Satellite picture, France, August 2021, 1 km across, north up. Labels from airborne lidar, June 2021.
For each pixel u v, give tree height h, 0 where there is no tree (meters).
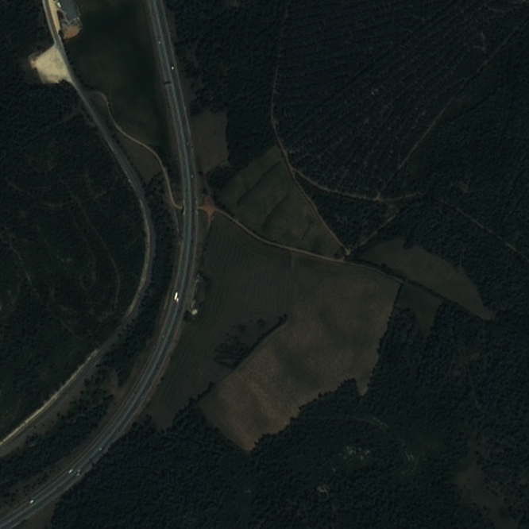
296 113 12
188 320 8
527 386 10
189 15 13
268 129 7
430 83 11
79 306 6
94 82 0
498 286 8
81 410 12
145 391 0
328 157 13
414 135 9
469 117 12
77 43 0
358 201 8
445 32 9
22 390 10
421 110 10
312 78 13
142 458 18
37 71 0
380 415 7
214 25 12
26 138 11
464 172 11
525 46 12
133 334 10
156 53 0
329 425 5
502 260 8
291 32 13
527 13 8
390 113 9
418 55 12
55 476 0
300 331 0
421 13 9
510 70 11
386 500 13
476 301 0
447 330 19
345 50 13
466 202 9
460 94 10
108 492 16
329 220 9
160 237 11
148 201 8
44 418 0
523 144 9
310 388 0
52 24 0
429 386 15
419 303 0
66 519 15
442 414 7
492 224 11
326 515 7
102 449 0
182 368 0
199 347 0
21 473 10
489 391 16
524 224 9
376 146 10
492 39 6
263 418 0
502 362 11
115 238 6
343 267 0
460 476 0
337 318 0
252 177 0
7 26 9
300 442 6
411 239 12
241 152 9
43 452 13
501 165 11
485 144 12
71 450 12
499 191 7
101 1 0
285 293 0
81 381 0
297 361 0
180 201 0
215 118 0
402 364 7
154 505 7
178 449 8
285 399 0
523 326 8
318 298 0
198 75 7
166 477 16
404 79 9
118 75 0
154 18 0
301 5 14
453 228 10
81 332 6
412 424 6
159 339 0
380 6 12
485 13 10
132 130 0
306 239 0
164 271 11
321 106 10
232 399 0
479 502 0
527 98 11
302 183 7
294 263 0
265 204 0
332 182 10
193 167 0
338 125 14
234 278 0
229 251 0
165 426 0
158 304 10
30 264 0
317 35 14
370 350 0
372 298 0
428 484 8
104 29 0
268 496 9
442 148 9
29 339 10
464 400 11
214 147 0
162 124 0
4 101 6
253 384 0
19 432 0
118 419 0
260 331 0
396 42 10
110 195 7
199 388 0
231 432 0
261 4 10
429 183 12
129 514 14
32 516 0
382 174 11
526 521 9
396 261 0
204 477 11
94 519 14
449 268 0
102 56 0
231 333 0
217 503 11
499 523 0
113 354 12
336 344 0
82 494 9
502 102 13
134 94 0
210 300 0
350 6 13
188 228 0
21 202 6
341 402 6
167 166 7
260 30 16
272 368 0
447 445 7
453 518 8
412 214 17
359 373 0
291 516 8
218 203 8
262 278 0
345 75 11
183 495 13
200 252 0
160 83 0
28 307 10
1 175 7
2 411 0
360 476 8
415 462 0
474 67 8
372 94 9
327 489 8
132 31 0
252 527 7
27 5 15
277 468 9
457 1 11
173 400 0
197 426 6
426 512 6
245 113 9
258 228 0
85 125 6
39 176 8
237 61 11
